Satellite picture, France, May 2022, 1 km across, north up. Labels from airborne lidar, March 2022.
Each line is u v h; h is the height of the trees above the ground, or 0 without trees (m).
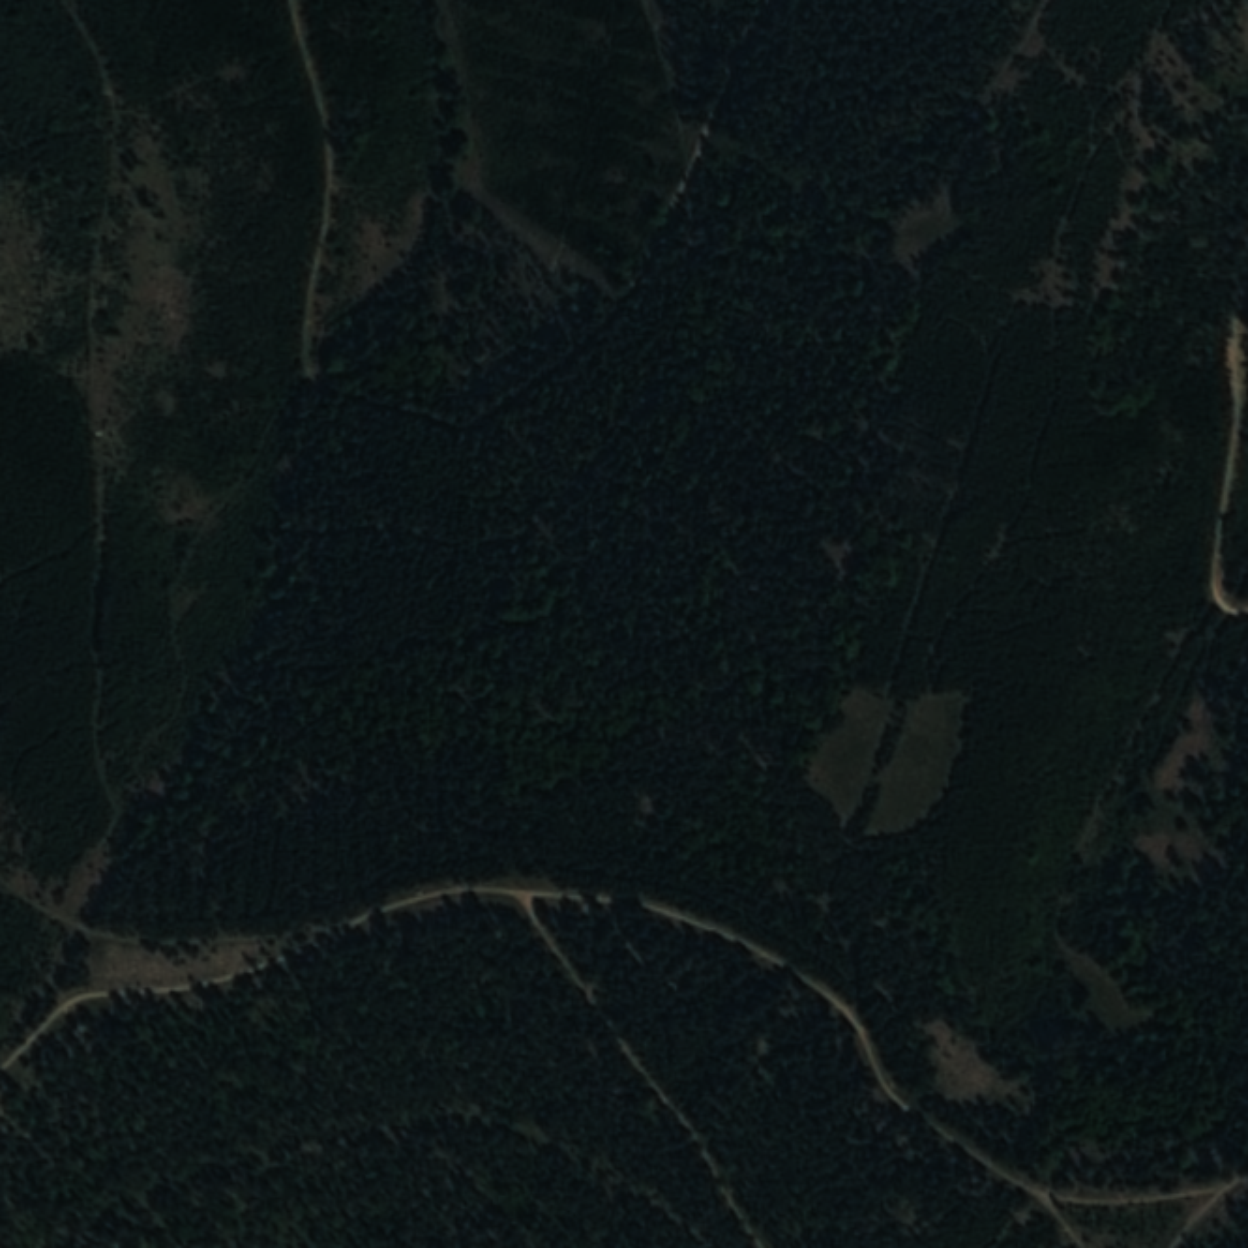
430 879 22
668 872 18
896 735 9
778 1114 23
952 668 10
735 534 27
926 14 33
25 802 6
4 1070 0
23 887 0
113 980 0
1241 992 18
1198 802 22
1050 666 9
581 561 12
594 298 25
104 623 13
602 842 19
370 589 22
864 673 11
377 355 23
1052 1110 17
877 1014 19
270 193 6
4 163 8
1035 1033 6
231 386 7
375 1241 34
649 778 16
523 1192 24
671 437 22
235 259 8
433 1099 26
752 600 24
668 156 0
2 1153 33
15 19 6
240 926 13
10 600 8
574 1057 25
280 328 9
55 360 6
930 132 8
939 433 13
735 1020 26
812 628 20
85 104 20
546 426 15
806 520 22
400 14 6
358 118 7
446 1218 25
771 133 28
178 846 25
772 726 11
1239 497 6
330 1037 29
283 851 19
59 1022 0
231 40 9
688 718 25
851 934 18
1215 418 8
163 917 15
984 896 8
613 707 25
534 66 0
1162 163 26
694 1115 27
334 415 21
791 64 31
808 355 25
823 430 23
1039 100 7
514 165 0
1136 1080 17
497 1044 31
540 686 26
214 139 8
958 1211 10
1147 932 27
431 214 14
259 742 18
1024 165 10
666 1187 24
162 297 0
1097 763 6
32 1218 30
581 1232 27
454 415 17
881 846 10
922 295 11
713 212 11
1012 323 8
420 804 20
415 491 21
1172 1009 22
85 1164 34
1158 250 10
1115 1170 10
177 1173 28
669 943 30
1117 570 7
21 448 8
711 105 20
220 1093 23
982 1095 0
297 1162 33
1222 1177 34
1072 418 9
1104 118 9
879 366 24
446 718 21
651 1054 14
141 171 0
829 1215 26
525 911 0
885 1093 0
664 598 20
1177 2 7
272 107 7
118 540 9
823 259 10
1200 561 9
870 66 32
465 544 25
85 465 8
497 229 20
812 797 15
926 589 8
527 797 22
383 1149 30
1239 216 31
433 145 6
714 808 20
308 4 8
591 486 18
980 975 6
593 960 26
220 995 22
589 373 16
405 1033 27
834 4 27
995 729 10
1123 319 8
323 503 20
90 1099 28
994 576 8
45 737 9
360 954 28
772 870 13
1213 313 9
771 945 15
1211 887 22
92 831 6
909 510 17
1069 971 12
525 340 21
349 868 15
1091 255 8
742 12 26
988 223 15
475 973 26
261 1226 32
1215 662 7
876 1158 30
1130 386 14
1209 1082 20
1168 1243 0
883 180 30
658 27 0
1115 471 7
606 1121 24
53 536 9
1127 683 6
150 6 8
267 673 25
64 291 5
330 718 21
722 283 18
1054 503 9
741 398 24
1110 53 7
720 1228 24
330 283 6
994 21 32
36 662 18
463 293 21
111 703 6
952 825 12
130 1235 33
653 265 16
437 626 22
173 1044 26
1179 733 10
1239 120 30
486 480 19
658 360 16
